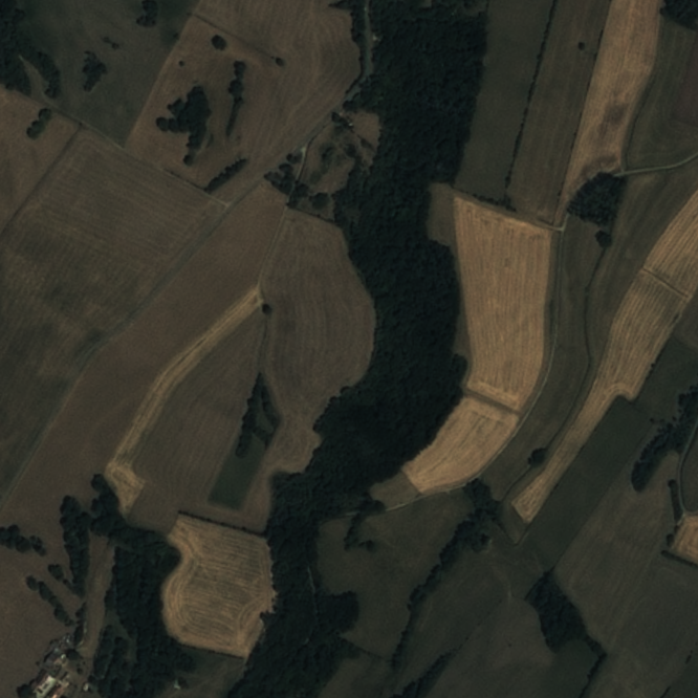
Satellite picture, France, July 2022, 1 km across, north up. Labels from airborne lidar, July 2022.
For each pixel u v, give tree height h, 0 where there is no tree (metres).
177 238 0
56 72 10
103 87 0
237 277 0
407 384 23
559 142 0
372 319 0
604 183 25
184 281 0
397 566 0
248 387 0
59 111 0
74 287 0
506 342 0
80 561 13
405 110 26
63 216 0
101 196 0
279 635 11
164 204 0
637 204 0
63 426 0
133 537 13
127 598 18
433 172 20
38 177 0
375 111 11
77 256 0
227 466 0
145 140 0
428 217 12
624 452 0
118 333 0
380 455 13
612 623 0
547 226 0
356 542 12
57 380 0
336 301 0
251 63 0
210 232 0
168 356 0
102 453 0
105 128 0
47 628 0
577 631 24
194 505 0
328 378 0
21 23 12
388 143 19
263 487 0
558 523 0
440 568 10
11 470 0
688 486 0
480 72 21
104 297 0
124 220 0
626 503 0
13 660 0
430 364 23
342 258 0
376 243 23
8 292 0
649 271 0
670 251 0
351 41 0
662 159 0
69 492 0
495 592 0
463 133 24
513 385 0
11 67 12
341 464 14
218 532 0
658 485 0
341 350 0
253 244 0
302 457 0
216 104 0
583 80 0
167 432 0
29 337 0
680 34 0
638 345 0
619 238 0
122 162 0
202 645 0
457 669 0
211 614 0
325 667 22
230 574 0
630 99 0
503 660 0
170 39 0
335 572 0
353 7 8
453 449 0
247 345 0
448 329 12
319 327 0
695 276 0
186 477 0
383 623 0
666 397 0
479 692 0
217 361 0
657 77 0
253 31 0
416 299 23
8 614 0
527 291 0
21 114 0
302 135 0
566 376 0
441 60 23
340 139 0
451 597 0
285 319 0
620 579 0
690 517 0
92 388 0
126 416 0
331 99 0
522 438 0
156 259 0
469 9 7
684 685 0
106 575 0
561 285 0
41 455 0
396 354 19
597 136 0
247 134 0
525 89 0
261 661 10
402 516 0
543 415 0
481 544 18
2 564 0
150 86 0
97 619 0
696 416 9
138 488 0
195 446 0
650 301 0
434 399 20
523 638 0
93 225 0
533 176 0
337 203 9
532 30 0
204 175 0
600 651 13
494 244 0
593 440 0
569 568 0
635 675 0
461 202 0
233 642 0
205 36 0
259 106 0
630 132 0
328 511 20
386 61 11
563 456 0
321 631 17
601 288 0
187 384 0
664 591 0
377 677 0
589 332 0
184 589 0
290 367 0
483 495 16
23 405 0
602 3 0
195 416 0
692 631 0
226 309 0
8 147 0
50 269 0
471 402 0
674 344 0
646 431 0
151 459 0
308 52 0
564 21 0
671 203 0
